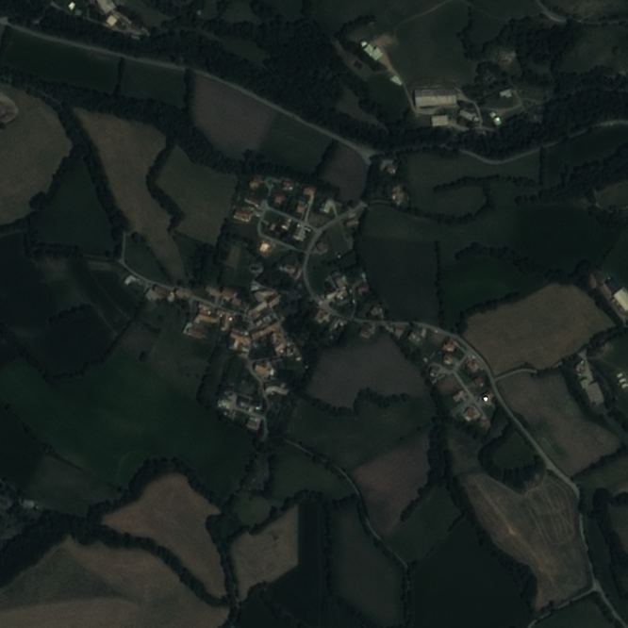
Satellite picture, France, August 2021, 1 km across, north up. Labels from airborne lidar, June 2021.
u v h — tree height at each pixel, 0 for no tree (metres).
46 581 0
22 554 28
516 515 0
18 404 0
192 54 19
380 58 0
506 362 0
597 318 0
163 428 0
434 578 0
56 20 18
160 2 14
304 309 14
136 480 11
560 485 0
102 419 0
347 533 0
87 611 0
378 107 15
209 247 7
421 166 0
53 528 25
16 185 0
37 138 0
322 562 0
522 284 0
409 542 0
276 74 21
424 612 0
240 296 6
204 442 0
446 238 0
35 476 0
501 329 0
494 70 20
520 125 15
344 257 6
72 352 0
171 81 0
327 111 19
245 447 0
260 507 0
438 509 0
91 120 0
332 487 0
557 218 0
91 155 16
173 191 0
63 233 0
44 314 0
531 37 21
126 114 18
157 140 0
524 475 12
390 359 0
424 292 0
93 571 0
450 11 0
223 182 0
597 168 17
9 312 0
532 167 0
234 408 0
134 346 0
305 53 20
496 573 0
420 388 0
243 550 0
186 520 0
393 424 0
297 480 0
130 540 18
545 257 0
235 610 14
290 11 0
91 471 0
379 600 0
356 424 0
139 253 0
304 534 0
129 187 0
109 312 0
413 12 0
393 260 0
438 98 0
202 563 0
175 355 0
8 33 14
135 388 0
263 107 0
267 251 0
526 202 6
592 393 0
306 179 13
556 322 0
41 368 12
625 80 17
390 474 0
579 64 0
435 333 0
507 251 15
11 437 0
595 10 0
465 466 0
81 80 0
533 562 0
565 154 0
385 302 8
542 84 13
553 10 7
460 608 0
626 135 0
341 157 0
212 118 0
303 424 0
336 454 0
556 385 0
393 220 0
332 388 0
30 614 0
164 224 0
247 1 0
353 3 0
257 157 9
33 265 0
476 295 0
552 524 0
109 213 15
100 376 0
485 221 0
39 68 0
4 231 10
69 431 0
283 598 0
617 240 0
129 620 0
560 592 0
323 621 0
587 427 0
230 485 0
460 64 0
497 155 20
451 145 14
